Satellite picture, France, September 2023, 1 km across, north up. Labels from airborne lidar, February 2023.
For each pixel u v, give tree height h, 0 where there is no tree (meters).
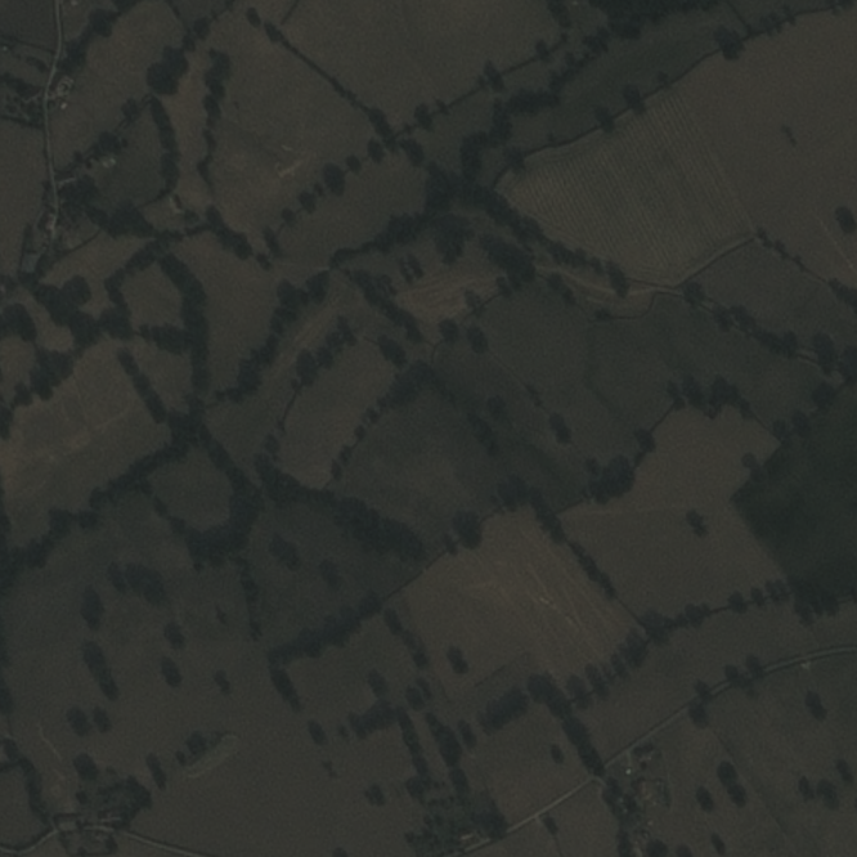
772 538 0
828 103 0
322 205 0
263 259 10
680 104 0
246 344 0
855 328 0
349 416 0
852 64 0
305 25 0
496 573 0
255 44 0
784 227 0
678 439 0
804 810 0
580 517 0
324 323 0
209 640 0
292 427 0
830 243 0
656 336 0
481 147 8
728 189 0
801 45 0
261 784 0
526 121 0
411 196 0
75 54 19
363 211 0
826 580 0
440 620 0
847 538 0
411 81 0
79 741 0
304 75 0
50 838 0
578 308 0
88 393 0
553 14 12
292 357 0
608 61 0
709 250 0
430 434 0
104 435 0
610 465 0
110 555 0
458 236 14
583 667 0
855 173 0
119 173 0
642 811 0
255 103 0
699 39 0
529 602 0
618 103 0
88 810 0
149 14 0
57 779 0
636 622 0
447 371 0
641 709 0
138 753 0
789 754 0
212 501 0
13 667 0
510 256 19
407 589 0
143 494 11
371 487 0
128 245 0
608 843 0
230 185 0
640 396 0
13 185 0
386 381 0
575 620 0
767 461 0
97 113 0
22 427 0
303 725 0
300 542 0
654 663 0
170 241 8
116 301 18
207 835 0
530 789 0
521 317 0
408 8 0
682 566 0
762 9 0
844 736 0
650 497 0
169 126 21
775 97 0
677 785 0
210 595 0
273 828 0
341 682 0
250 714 0
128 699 0
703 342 0
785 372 0
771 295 0
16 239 0
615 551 0
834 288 12
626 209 0
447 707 0
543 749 0
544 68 0
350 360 0
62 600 0
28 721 0
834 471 0
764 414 0
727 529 0
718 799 0
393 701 0
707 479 0
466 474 0
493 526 0
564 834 0
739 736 0
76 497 0
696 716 19
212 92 22
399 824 0
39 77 0
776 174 0
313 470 0
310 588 0
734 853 0
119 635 0
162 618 0
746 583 0
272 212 0
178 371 0
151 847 0
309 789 0
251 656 0
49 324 0
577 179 0
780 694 0
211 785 0
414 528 0
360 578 0
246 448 0
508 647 0
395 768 0
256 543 0
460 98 0
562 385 0
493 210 24
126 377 0
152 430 0
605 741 0
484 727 16
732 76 0
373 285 19
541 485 0
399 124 0
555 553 0
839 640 0
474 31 0
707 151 0
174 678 20
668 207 0
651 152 0
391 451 0
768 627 0
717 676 0
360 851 0
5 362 0
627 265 0
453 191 19
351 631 7
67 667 0
